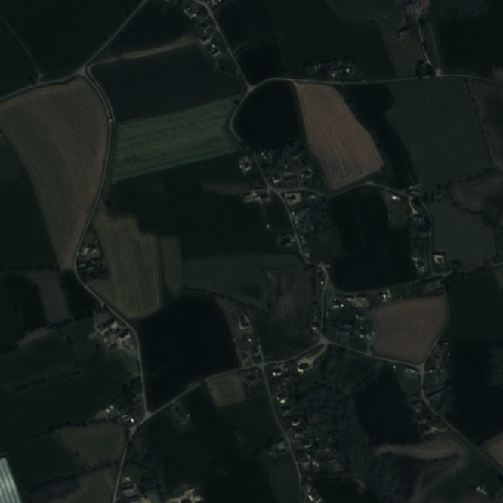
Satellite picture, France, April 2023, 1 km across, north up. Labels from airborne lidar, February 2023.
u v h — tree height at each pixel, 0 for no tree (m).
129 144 0
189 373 0
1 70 0
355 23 0
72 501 0
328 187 0
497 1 0
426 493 0
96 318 0
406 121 0
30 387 9
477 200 0
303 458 9
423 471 0
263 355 0
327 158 0
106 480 0
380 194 0
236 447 0
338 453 13
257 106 0
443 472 0
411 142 0
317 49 0
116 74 0
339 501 0
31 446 0
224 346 0
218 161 0
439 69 0
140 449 0
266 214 0
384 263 0
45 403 0
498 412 0
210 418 0
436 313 0
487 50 0
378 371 0
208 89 0
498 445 0
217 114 0
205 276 0
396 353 0
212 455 7
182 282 0
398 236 0
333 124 0
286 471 0
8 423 0
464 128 0
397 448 0
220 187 0
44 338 0
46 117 0
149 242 0
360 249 0
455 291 0
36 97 0
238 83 0
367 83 0
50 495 17
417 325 0
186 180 0
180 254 0
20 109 0
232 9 0
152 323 0
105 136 0
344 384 0
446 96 0
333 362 14
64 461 0
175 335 0
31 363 0
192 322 0
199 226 0
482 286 0
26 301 0
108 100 0
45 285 0
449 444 0
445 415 0
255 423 0
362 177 0
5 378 0
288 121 0
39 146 0
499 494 0
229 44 0
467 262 0
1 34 0
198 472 0
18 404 0
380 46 0
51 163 0
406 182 0
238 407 0
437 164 0
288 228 0
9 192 0
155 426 0
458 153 0
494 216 0
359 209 0
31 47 0
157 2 0
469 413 0
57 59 0
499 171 0
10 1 0
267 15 0
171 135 0
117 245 0
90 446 0
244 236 0
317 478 0
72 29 0
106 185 0
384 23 0
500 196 0
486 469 0
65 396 0
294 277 0
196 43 0
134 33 0
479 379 0
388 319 0
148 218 0
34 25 0
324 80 6
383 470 25
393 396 0
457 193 0
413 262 7
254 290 0
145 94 0
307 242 12
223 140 0
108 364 0
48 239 0
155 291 0
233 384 0
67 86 0
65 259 0
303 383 8
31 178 0
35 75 9
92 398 0
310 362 0
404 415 0
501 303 0
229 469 0
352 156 0
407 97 0
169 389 0
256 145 0
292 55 0
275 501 0
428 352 0
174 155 0
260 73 0
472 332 0
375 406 0
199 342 0
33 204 0
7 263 0
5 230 0
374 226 0
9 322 0
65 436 0
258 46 0
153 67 0
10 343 0
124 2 0
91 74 0
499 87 0
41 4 0
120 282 0
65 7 0
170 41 0
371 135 8
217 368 0
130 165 0
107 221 0
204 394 0
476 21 0
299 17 0
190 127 0
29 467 0
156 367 0
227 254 0
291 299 0
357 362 0
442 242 0
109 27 0
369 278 0
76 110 0
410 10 0
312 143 0
